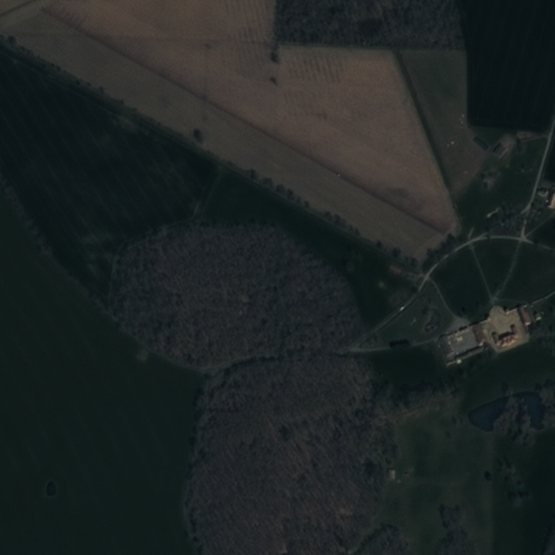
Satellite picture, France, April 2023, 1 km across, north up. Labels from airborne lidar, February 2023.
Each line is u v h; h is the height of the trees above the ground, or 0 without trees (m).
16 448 0
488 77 0
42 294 0
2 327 0
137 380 0
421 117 0
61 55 0
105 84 0
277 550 21
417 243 0
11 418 0
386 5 24
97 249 0
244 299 20
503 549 0
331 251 0
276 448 21
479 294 0
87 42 0
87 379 0
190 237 17
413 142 0
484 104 0
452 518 23
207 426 14
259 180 16
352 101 0
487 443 0
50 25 0
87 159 0
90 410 0
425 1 17
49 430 0
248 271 16
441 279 0
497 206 0
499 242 0
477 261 0
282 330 17
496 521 0
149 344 13
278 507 24
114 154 0
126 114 0
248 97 0
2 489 0
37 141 0
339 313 13
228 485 24
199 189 0
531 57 0
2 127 0
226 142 0
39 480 0
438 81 0
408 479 0
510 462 0
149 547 0
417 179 0
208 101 0
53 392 0
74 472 0
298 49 0
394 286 0
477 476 0
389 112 0
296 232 0
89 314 0
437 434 0
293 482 21
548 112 0
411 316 0
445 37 23
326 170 0
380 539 20
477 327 0
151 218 0
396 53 0
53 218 0
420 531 0
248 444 13
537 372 0
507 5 0
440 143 0
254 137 0
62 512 0
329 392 20
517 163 0
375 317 0
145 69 0
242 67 0
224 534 24
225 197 0
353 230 16
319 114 0
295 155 0
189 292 21
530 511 0
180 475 0
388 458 22
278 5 14
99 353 0
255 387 26
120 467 0
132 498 0
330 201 0
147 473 0
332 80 0
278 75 0
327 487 26
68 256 0
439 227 0
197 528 20
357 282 0
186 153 0
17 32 0
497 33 0
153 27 0
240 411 15
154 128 7
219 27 0
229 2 0
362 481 22
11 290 0
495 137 0
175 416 0
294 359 26
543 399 18
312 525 21
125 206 0
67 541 0
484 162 0
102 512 0
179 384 0
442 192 0
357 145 0
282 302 24
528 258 0
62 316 0
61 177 0
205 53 0
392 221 0
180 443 0
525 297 0
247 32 0
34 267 0
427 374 0
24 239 0
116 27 0
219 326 20
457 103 0
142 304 23
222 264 17
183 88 0
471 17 0
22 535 0
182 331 18
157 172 0
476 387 0
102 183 0
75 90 0
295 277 25
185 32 0
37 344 0
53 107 0
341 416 20
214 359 18
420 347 0
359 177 0
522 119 0
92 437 0
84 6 0
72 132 0
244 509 22
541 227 0
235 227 8
